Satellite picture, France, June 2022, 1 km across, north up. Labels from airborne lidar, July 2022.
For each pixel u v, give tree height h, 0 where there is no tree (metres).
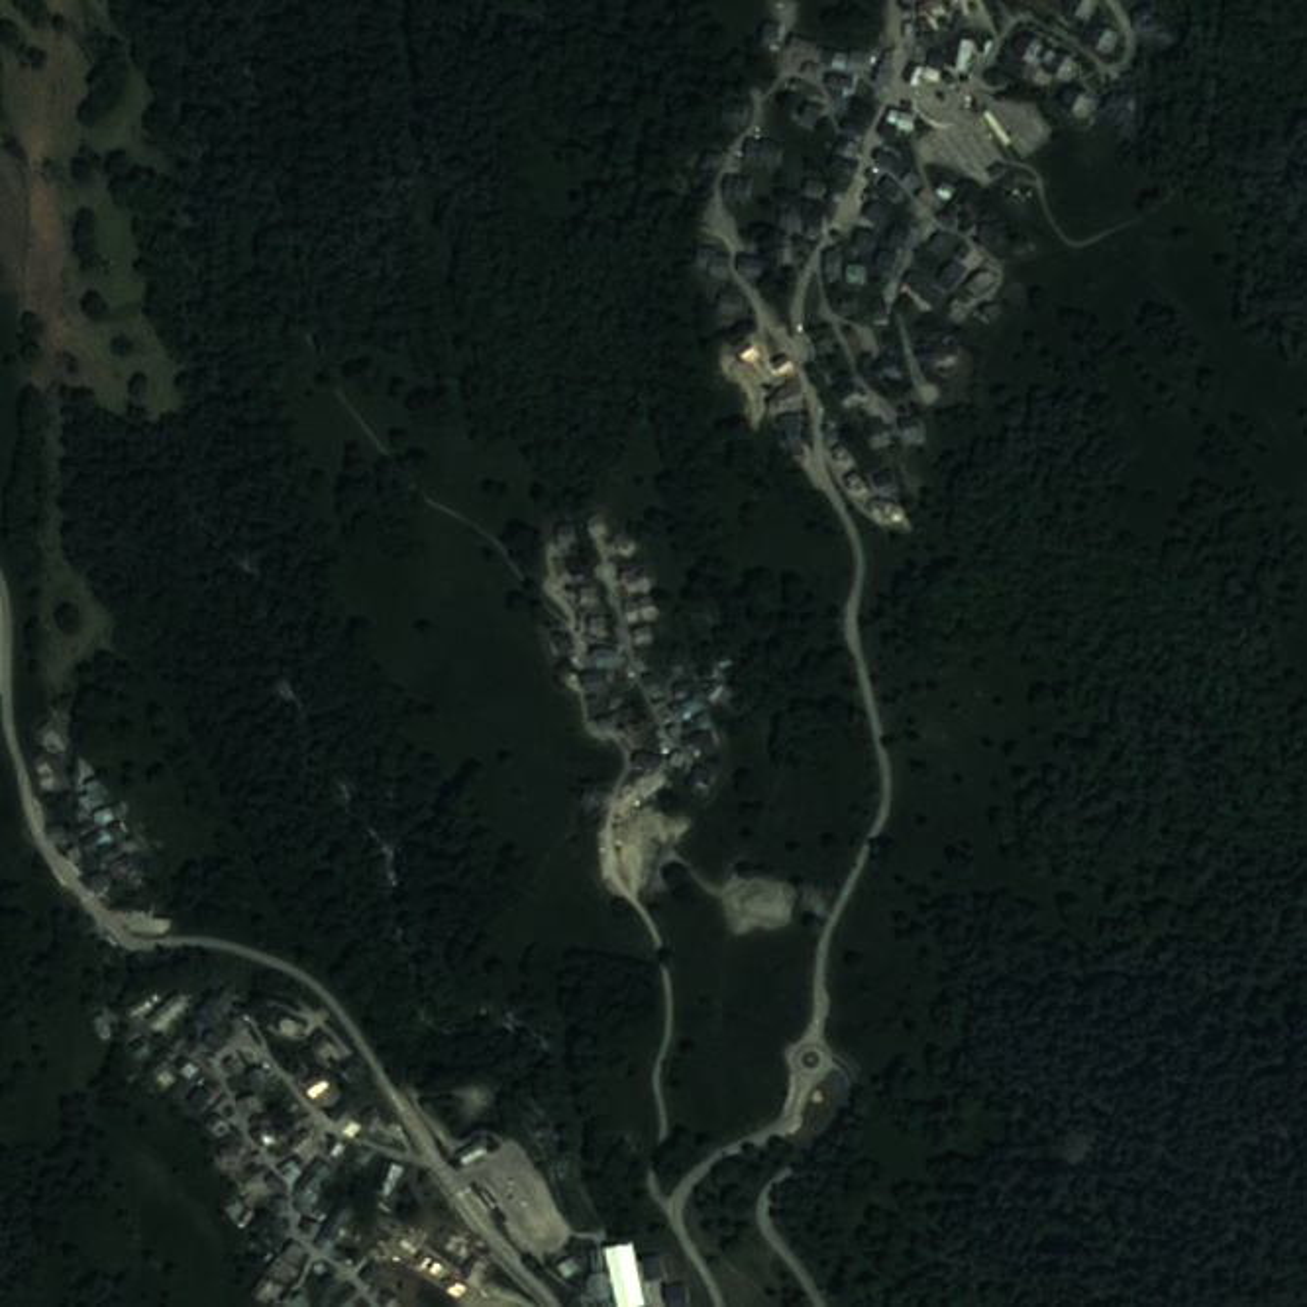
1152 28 0
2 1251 18
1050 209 0
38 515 14
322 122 22
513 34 22
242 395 14
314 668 26
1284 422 0
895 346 7
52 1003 12
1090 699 10
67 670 0
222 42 20
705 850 0
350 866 16
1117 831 26
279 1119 8
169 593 22
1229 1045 33
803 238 11
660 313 17
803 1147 0
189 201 17
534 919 0
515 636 0
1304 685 13
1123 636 17
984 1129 0
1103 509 11
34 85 0
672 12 16
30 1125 0
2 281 14
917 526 12
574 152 19
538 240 24
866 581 0
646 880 0
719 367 0
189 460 19
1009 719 0
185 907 10
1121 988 23
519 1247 0
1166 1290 10
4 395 0
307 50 18
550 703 0
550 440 21
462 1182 0
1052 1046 11
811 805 0
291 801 23
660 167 17
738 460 19
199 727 19
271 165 20
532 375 19
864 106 15
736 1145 0
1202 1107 29
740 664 11
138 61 18
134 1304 0
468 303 23
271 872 20
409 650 0
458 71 22
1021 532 14
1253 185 19
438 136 15
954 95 0
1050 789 17
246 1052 0
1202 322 0
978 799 0
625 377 21
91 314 21
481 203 27
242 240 15
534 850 0
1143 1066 8
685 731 6
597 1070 10
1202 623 13
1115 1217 13
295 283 22
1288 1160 34
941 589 23
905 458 0
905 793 0
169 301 22
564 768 0
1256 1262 31
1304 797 23
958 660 0
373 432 0
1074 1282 11
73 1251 16
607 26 18
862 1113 13
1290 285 14
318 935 19
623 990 16
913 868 0
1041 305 14
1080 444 16
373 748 19
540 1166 6
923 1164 0
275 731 27
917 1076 17
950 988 19
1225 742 15
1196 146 14
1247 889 12
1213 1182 25
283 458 18
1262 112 6
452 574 0
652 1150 0
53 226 0
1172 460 0
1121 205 0
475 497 0
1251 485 8
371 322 19
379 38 23
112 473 17
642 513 0
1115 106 0
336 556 13
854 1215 0
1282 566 13
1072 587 7
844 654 15
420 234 14
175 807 0
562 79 21
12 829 0
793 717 20
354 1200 8
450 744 0
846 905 0
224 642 14
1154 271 0
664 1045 0
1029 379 0
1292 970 20
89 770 0
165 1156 0
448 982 12
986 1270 17
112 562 23
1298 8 10
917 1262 19
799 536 0
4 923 21
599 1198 18
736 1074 0
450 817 26
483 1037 17
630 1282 0
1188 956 31
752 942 0
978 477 19
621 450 13
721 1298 0
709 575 13
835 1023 0
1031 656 14
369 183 22
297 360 16
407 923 20
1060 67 0
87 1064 0
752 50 12
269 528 20
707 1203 17
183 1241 0
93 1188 13
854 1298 19
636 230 14
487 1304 0
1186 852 14
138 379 13
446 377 9
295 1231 0
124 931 0
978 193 11
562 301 18
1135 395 0
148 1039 6
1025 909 18
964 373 0
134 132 0
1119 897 16
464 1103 0
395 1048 19
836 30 10
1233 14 19
